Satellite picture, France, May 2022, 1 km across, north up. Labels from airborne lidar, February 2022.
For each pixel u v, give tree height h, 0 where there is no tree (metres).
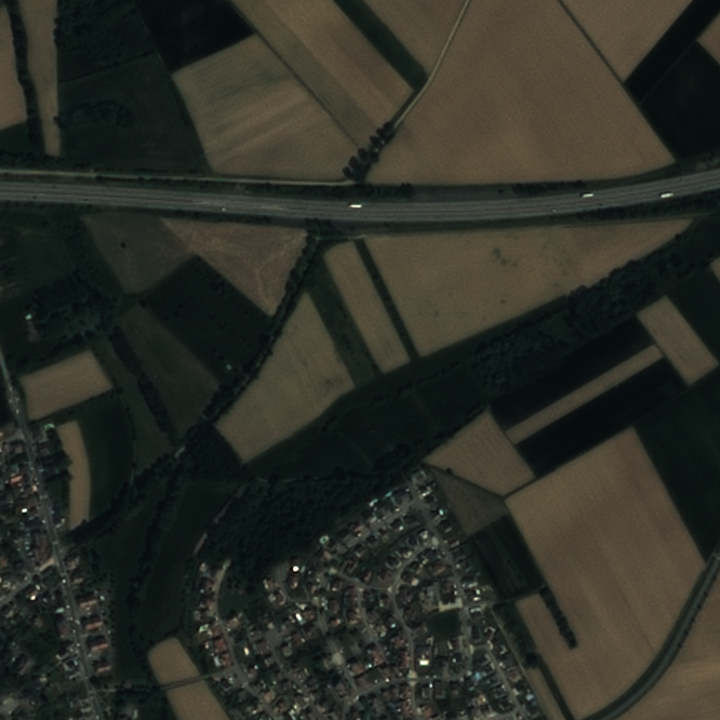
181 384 0
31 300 0
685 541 0
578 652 0
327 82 0
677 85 0
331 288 0
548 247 0
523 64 0
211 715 0
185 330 0
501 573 0
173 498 18
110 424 0
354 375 0
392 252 0
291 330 0
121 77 0
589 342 0
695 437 0
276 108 0
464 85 0
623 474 0
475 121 0
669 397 0
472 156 0
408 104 0
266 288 0
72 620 0
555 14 0
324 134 0
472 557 0
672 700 0
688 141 0
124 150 0
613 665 0
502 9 0
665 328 0
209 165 0
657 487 0
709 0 0
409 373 0
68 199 0
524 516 0
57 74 0
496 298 0
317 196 13
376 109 0
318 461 0
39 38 0
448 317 0
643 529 0
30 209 8
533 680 0
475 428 0
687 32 0
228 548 6
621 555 0
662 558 0
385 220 0
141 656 14
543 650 0
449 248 0
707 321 0
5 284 0
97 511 0
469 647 0
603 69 0
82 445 0
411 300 0
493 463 0
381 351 0
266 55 0
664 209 11
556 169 0
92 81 0
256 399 0
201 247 0
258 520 6
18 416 0
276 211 0
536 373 33
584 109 0
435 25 0
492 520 0
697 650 0
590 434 0
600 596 0
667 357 0
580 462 0
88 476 0
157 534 20
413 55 0
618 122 0
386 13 0
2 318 0
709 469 0
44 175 0
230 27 0
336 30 0
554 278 0
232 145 0
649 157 0
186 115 7
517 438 0
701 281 0
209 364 0
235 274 0
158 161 0
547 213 0
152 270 0
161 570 0
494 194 0
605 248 0
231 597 0
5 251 0
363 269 0
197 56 0
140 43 0
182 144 0
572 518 0
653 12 0
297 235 0
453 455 0
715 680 0
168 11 0
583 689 0
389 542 0
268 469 0
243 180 0
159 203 0
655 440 0
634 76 0
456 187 0
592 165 0
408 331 0
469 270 0
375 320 0
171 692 0
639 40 0
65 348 13
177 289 0
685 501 0
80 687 0
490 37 0
